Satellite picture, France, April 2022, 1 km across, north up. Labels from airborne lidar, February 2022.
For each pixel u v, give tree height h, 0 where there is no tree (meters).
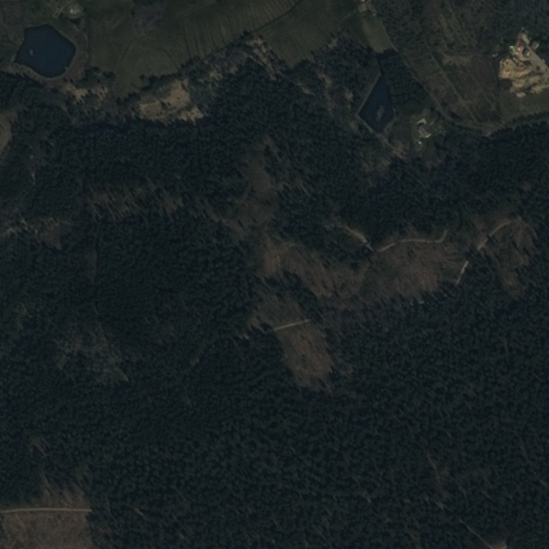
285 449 27
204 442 14
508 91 0
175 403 21
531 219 26
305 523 30
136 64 0
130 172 25
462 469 14
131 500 28
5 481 27
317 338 0
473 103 0
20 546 0
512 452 27
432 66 0
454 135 10
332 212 23
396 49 8
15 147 19
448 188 18
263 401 17
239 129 30
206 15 0
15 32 0
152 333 21
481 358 32
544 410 32
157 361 30
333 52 8
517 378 26
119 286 23
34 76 0
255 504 33
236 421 21
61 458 28
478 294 30
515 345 32
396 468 31
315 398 15
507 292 31
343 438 10
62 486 29
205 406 24
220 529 30
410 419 27
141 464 35
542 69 0
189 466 20
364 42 0
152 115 0
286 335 0
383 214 23
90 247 20
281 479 33
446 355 15
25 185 10
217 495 30
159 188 30
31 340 21
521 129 12
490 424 31
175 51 0
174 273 25
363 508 30
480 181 16
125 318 21
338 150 32
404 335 29
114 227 26
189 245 28
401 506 28
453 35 0
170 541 23
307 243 27
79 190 27
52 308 17
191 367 24
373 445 31
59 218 21
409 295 0
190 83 10
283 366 31
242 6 0
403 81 27
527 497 16
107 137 29
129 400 24
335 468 35
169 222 24
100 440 28
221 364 29
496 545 17
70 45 0
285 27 0
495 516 29
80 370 27
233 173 23
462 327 19
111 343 28
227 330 33
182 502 18
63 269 23
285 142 28
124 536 17
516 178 23
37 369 33
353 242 8
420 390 10
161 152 31
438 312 28
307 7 0
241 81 15
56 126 26
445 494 17
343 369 23
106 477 28
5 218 11
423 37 10
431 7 0
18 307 17
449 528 12
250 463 28
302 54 0
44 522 0
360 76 16
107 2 0
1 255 23
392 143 16
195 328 25
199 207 29
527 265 0
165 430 24
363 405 16
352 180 29
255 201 25
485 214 24
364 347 25
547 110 0
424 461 28
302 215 26
